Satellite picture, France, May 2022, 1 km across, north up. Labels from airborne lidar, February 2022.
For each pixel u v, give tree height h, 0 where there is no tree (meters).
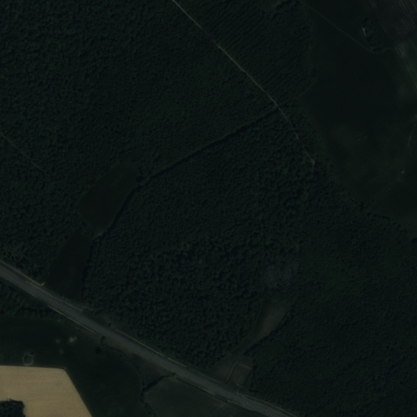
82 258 0
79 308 0
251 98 17
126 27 23
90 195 0
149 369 0
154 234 22
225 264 27
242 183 20
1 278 0
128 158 17
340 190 15
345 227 20
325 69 0
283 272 22
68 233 21
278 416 0
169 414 0
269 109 14
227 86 16
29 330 0
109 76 19
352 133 0
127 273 19
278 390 12
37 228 31
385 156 0
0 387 0
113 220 0
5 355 0
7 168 22
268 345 14
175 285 30
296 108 17
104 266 20
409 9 0
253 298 23
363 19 0
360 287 14
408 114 0
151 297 19
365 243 19
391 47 0
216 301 33
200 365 9
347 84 0
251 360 0
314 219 20
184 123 14
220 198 21
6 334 0
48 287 0
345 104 0
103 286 20
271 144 22
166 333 22
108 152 19
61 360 0
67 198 24
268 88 15
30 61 21
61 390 0
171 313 25
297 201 28
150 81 16
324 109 0
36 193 23
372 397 20
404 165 0
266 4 15
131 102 15
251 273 20
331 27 0
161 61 21
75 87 23
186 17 15
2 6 24
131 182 0
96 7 24
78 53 23
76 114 21
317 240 15
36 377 0
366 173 0
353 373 23
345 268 13
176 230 21
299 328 12
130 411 0
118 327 0
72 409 0
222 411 0
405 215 0
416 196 0
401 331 17
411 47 0
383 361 18
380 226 15
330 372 14
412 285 16
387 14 0
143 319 23
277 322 0
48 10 15
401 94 0
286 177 29
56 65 22
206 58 16
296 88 17
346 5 0
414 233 0
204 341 22
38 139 23
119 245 23
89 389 0
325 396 14
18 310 15
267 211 28
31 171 24
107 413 0
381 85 0
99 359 0
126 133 18
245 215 23
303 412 12
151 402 0
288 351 12
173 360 0
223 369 0
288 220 26
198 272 32
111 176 0
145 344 0
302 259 17
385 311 12
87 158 20
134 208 21
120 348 0
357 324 13
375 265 15
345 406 19
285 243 25
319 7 0
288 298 18
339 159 0
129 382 0
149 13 19
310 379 13
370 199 0
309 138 20
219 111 14
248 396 0
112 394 0
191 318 23
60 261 0
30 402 0
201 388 0
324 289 13
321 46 0
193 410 0
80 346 0
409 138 0
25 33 24
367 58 0
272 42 19
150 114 16
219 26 17
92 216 0
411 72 0
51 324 0
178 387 0
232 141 18
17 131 20
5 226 25
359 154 0
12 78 22
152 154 17
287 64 19
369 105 0
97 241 6
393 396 16
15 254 0
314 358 14
